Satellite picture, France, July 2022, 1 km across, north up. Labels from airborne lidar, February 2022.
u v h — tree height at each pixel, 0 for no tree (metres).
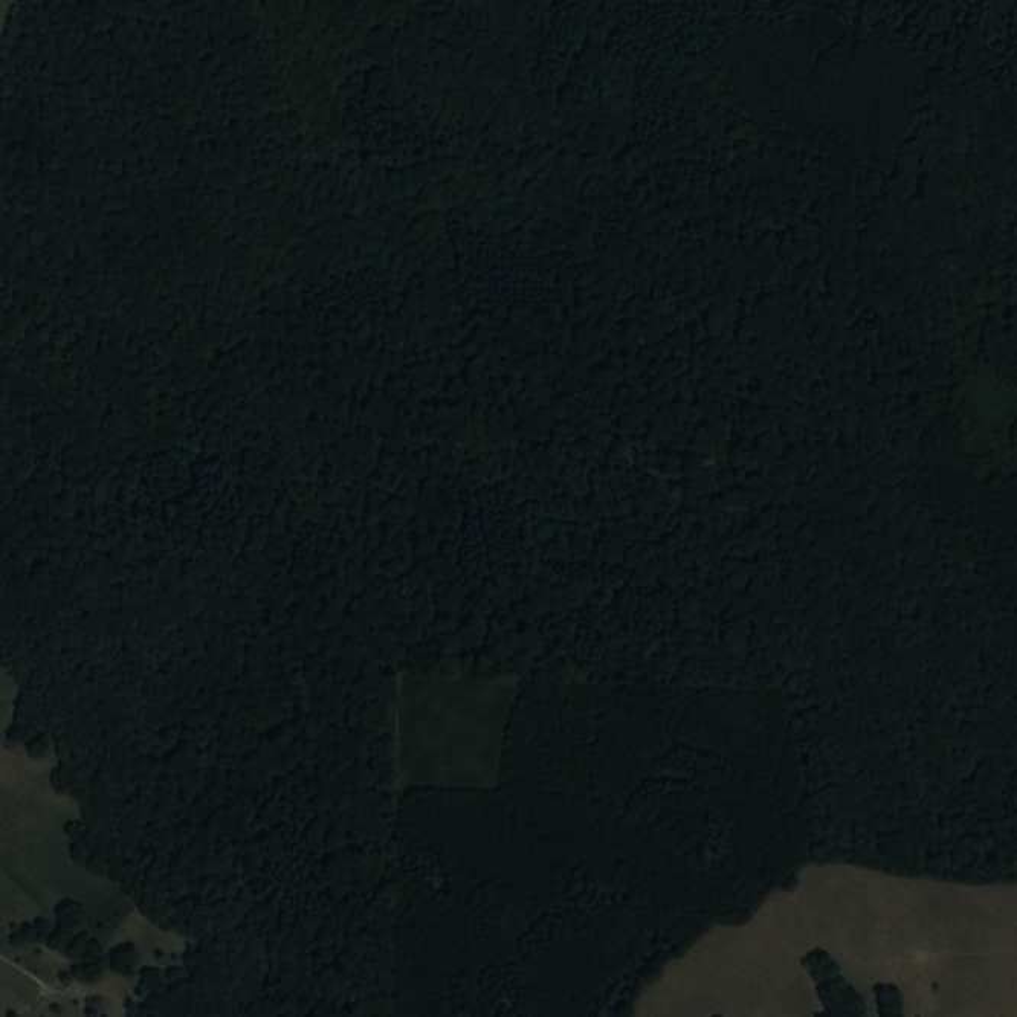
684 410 22
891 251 21
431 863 21
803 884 0
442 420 24
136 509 13
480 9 17
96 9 22
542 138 15
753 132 19
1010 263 19
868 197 21
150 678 17
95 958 15
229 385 22
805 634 21
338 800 23
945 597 19
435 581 23
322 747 28
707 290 20
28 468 21
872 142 16
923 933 0
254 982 23
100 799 19
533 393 26
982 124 19
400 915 17
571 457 21
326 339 23
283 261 17
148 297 19
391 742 27
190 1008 17
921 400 27
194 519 22
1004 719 20
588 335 25
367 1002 26
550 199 18
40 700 16
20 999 0
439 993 18
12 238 18
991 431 0
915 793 19
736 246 19
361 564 22
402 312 26
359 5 19
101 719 20
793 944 0
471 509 27
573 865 15
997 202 23
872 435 22
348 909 28
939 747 20
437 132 18
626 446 27
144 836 21
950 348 17
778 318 21
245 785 28
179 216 19
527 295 25
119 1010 0
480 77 18
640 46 14
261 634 23
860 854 23
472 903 21
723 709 8
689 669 25
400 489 20
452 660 30
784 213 26
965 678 19
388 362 24
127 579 15
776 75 12
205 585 24
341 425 20
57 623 19
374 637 23
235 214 13
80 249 17
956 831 18
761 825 12
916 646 18
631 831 17
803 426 18
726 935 0
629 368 24
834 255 23
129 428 19
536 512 21
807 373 22
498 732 0
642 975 14
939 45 18
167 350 19
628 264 21
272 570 18
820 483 26
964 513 8
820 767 20
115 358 19
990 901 0
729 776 14
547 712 6
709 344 20
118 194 17
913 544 25
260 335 23
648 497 23
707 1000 0
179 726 22
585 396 22
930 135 20
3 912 0
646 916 17
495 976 25
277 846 23
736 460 23
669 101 24
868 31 9
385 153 25
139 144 20
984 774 20
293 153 17
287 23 15
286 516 20
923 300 23
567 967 16
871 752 19
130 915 0
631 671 28
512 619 26
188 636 24
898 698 18
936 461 11
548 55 21
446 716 0
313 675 28
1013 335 12
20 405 19
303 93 15
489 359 25
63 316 19
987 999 0
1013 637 22
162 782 25
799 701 18
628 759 11
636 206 21
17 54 17
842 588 22
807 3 15
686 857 11
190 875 25
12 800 0
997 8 20
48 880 0
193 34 18
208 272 19
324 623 28
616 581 20
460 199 15
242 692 24
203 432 17
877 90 11
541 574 23
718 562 18
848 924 0
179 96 21
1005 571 24
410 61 20
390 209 21
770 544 19
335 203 17
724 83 7
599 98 15
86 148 17
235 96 21
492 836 10
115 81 18
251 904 22
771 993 0
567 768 6
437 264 20
